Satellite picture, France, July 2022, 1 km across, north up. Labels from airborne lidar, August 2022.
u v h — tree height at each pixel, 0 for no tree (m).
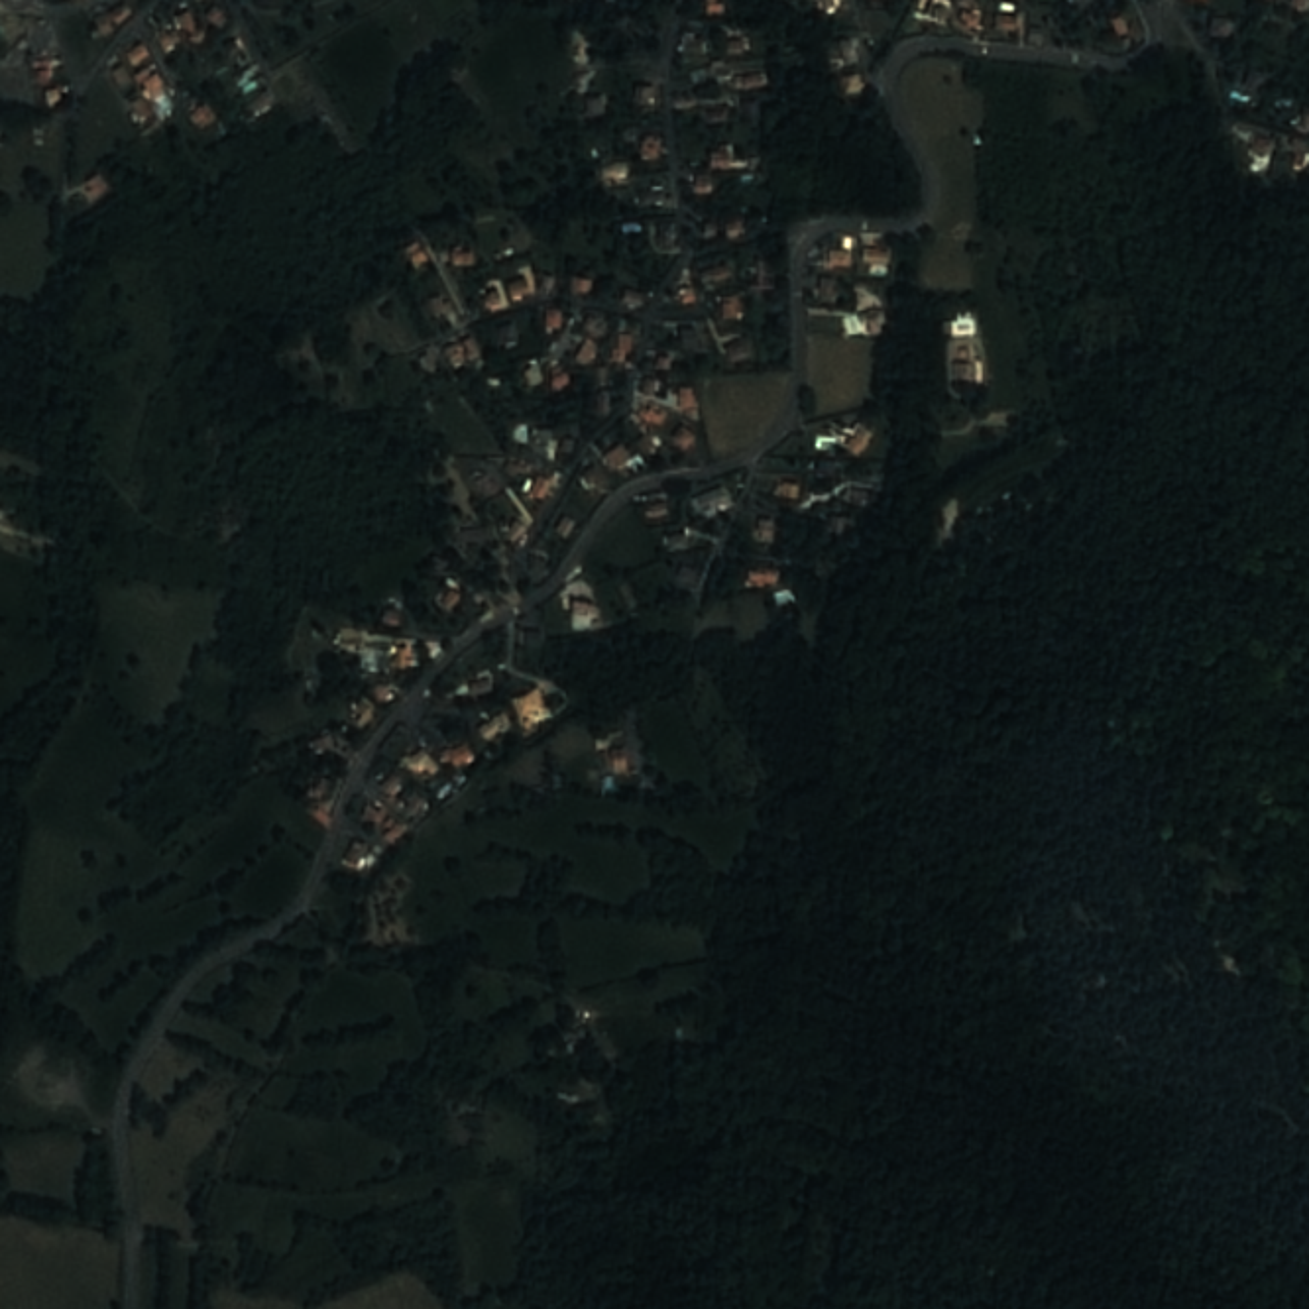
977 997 15
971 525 12
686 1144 11
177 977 8
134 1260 0
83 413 11
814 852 19
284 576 8
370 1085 0
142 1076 0
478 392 8
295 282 13
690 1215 23
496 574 13
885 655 22
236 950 0
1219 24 0
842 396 0
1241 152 0
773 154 9
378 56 0
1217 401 23
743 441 0
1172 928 13
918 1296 14
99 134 0
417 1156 10
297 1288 0
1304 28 9
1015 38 6
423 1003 9
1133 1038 12
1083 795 15
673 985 0
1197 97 12
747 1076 20
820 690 25
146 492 0
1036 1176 20
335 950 6
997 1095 20
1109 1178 22
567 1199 14
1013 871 14
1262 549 11
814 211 11
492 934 0
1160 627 15
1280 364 18
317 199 6
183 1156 0
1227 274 22
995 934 13
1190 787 12
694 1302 17
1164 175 19
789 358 7
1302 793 19
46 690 11
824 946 18
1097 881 14
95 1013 0
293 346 7
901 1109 14
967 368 0
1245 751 20
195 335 12
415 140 12
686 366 9
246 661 7
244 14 11
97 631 7
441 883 0
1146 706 19
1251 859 14
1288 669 11
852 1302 15
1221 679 16
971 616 20
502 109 0
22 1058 0
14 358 20
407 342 0
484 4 16
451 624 6
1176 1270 22
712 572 11
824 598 16
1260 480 24
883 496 16
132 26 0
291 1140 0
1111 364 9
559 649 8
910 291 15
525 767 0
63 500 22
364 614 16
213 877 0
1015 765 21
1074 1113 18
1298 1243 14
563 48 7
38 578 10
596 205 18
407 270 10
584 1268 18
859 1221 21
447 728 14
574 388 8
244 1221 0
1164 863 13
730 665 12
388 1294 0
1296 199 14
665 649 13
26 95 0
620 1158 10
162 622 0
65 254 9
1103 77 13
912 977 24
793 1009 22
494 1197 0
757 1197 19
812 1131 17
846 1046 21
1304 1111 16
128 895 12
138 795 6
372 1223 12
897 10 9
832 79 9
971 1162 19
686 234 10
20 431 8
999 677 19
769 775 12
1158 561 9
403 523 11
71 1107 0
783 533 13
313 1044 11
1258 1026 17
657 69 0
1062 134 17
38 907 0
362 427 11
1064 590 24
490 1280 0
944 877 18
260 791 0
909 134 0
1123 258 16
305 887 0
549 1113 14
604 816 0
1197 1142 16
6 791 15
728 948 24
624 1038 0
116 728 6
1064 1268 18
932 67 0
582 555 0
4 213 9
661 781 15
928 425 17
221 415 6
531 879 7
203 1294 9
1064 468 13
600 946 0
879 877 23
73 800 0
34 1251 0
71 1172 0
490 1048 10
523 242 0
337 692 6
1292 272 15
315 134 10
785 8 16
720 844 0
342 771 10
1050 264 6
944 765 26
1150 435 24
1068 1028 14
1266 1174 16
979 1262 18
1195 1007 9
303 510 7
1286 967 21
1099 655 19
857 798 17
